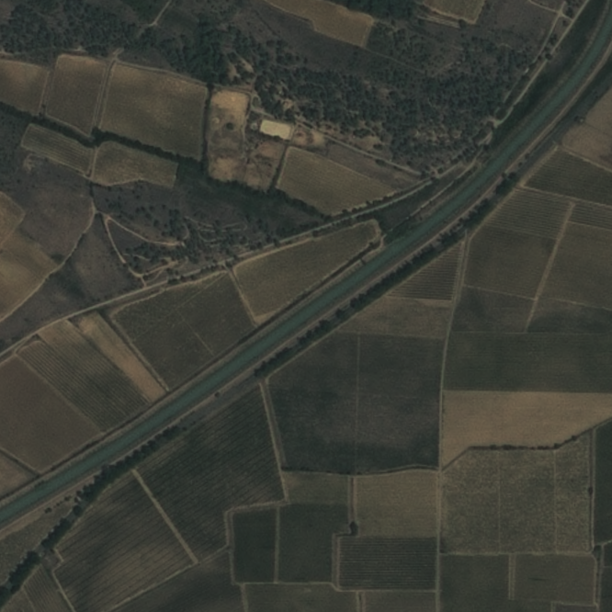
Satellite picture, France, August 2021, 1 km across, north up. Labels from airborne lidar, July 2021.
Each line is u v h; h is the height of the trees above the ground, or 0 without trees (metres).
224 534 0
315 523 0
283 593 0
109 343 0
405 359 0
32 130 0
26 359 0
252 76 13
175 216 11
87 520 0
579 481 0
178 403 0
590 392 0
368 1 6
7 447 0
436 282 0
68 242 0
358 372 0
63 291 0
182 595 0
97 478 13
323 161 0
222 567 0
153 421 0
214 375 0
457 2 0
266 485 0
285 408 0
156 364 0
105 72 0
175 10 0
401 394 0
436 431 0
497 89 14
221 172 0
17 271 0
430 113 13
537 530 0
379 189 0
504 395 0
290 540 0
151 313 0
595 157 0
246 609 0
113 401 0
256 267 0
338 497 0
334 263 0
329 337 0
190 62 16
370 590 0
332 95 17
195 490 0
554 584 0
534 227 0
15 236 0
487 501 0
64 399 0
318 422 0
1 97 0
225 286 0
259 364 0
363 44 0
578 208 0
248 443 0
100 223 0
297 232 8
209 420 0
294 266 0
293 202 12
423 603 0
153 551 0
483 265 0
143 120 0
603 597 0
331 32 0
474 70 14
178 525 0
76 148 0
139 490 0
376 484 0
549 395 0
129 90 0
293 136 0
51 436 0
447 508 0
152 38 14
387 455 0
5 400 0
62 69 0
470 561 0
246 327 0
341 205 0
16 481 0
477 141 15
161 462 0
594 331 0
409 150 13
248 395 0
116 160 0
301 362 0
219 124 0
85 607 0
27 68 0
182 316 0
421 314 0
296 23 0
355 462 0
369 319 0
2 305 0
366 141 0
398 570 0
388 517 0
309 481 0
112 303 0
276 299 0
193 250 9
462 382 0
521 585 0
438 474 0
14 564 0
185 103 0
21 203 0
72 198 0
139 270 12
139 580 0
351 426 0
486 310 0
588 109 0
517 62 12
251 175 0
